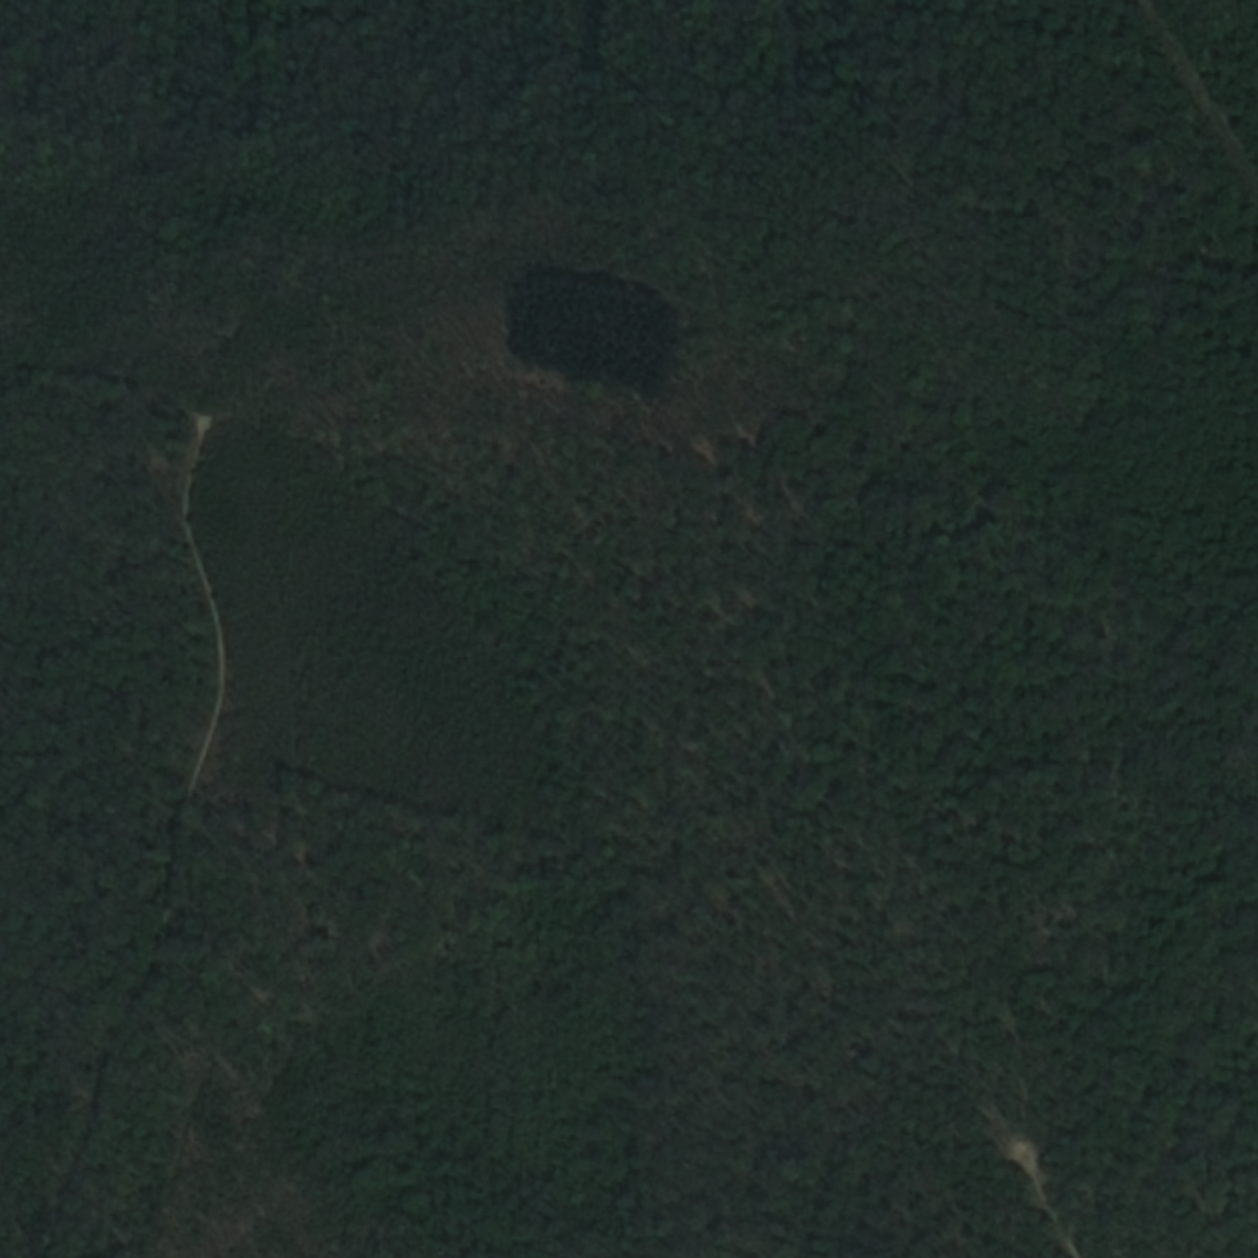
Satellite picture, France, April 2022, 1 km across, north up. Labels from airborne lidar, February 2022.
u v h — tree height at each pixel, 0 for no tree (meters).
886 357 27
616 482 24
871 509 23
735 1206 26
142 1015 25
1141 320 29
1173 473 25
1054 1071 25
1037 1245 24
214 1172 7
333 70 27
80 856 31
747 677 26
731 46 27
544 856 26
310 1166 14
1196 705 24
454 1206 17
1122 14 27
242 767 6
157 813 16
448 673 13
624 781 27
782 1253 31
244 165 24
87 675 28
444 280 16
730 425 19
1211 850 25
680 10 26
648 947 24
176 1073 28
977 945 26
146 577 28
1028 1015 21
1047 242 29
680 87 26
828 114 32
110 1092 22
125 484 28
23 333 19
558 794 29
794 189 27
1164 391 25
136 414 26
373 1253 12
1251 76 30
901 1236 24
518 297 16
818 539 27
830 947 28
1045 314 26
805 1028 28
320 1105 23
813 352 25
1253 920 23
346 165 30
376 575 15
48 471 27
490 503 23
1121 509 27
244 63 30
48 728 28
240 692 7
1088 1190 24
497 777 15
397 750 16
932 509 29
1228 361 25
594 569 23
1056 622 26
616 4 30
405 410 20
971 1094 23
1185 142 29
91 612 25
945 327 28
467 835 28
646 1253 32
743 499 25
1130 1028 20
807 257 26
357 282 16
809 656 26
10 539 28
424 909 29
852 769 24
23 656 25
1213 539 21
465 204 28
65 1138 23
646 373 31
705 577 26
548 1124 18
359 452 25
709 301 22
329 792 20
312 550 16
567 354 30
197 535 7
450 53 33
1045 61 30
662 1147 24
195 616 27
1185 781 20
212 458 7
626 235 24
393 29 28
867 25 28
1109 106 26
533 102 32
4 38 26
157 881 27
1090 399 25
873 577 22
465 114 29
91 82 33
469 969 22
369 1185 31
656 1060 23
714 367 16
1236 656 29
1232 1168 20
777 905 24
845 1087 24
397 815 27
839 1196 23
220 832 28
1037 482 29
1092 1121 26
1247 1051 29
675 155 29
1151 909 23
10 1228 27
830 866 25
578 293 30
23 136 29
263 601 9
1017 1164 0
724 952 26
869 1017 26
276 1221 7
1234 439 23
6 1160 25
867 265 25
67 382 22
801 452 25
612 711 26
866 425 23
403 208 23
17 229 14
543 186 25
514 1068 25
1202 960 26
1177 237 26
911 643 28
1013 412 29
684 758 26
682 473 22
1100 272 29
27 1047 26
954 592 29
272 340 14
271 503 12
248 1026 28
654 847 8
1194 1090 28
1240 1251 25
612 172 32
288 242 20
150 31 23
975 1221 25
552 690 28
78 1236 22
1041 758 26
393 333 19
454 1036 22
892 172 28
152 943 27
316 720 14
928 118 27
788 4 30
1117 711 19
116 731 29
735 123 28
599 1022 25
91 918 28
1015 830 22
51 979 26
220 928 27
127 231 15
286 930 29
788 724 25
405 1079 25
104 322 18
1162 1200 24
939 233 27
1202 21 25
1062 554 27
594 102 25
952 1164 26
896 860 25
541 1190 29
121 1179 24
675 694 26
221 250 21
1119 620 25
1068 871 27
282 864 28
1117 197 28
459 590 26
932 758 26
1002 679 27
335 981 29
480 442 20
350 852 26
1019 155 30
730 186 29
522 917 25
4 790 30
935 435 30
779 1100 25
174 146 21
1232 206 29
